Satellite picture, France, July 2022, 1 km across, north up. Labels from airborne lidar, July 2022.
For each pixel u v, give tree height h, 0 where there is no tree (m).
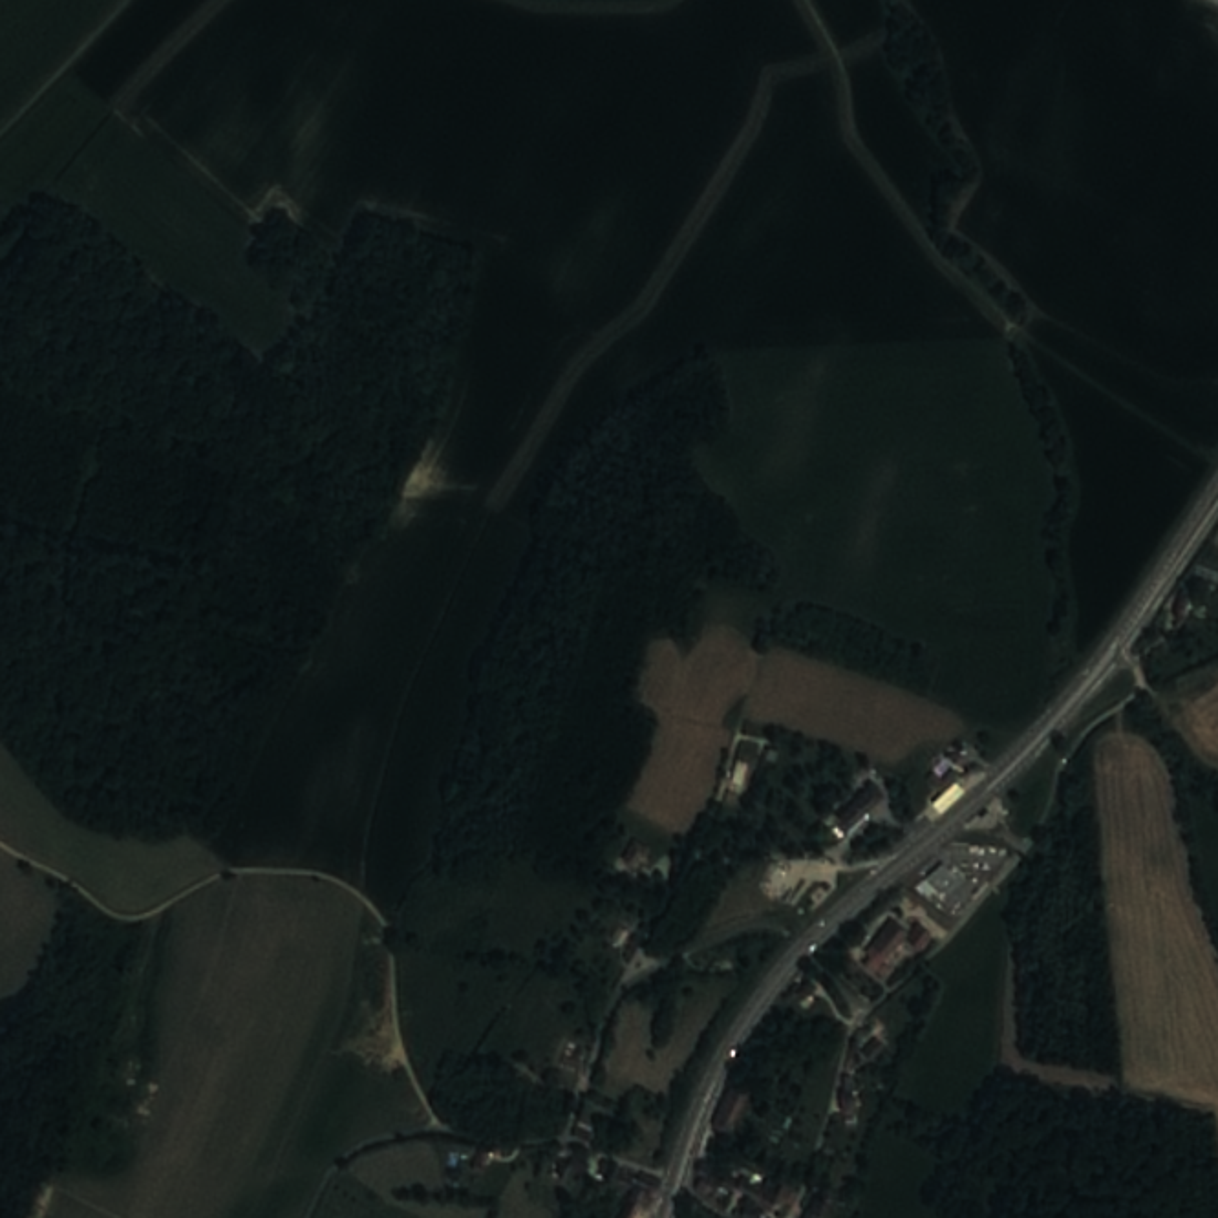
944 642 0
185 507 13
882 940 0
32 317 25
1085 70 0
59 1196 0
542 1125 7
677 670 0
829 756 14
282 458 12
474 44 0
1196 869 11
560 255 0
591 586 23
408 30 0
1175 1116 22
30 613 28
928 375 0
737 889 0
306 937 0
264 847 0
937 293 0
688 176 0
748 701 0
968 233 0
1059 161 0
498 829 15
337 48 0
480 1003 0
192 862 0
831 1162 7
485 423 0
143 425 16
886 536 0
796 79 0
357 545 17
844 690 0
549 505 14
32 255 24
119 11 0
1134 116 0
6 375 16
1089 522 0
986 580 0
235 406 24
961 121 0
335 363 13
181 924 0
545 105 0
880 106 0
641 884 11
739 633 0
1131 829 0
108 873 0
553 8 0
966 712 0
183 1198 0
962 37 0
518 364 0
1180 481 0
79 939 9
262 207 0
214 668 13
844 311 0
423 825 0
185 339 27
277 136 0
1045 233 0
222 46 0
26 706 27
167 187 0
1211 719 0
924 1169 0
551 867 15
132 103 0
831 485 0
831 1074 0
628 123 0
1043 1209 28
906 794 14
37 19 0
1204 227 0
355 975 0
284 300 0
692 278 0
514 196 0
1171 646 9
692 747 0
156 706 20
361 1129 0
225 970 0
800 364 0
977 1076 0
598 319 0
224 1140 0
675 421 15
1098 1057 13
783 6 0
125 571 25
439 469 0
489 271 0
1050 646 0
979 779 0
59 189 0
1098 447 0
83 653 23
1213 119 0
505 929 0
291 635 10
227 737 18
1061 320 0
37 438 7
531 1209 0
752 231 0
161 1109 0
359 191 0
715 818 9
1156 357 0
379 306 12
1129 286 0
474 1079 9
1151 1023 0
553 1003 0
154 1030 0
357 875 0
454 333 22
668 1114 9
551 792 11
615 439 21
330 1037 0
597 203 0
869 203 0
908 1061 6
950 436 0
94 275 23
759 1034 16
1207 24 0
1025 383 15
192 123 0
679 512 24
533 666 23
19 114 0
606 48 0
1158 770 0
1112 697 0
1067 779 15
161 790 6
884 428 0
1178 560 0
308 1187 0
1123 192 0
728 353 0
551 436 0
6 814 0
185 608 21
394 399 15
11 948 0
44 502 8
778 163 0
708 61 0
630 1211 0
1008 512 0
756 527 0
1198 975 0
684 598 8
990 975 0
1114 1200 28
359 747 0
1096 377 0
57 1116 12
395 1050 0
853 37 0
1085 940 9
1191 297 0
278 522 19
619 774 11
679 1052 0
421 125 0
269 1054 0
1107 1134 30
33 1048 14
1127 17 0
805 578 0
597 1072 12
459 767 8
